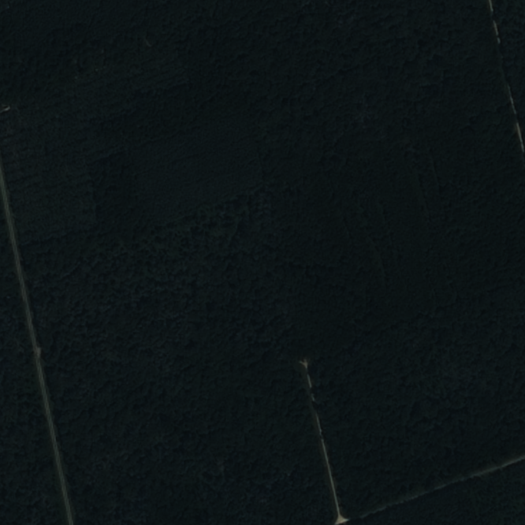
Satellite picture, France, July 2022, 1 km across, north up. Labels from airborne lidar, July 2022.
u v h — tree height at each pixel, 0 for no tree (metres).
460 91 26
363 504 27
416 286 15
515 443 27
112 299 12
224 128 16
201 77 21
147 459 28
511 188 23
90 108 16
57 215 15
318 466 26
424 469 29
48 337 25
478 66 27
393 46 23
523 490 10
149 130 22
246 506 21
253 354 27
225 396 24
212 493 27
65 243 19
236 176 15
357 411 24
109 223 21
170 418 26
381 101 30
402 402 14
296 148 23
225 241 20
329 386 22
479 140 20
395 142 18
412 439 26
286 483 30
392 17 30
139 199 18
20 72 19
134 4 18
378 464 20
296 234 25
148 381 25
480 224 22
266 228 20
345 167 17
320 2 24
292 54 26
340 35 25
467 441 29
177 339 13
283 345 26
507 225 24
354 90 25
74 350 14
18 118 16
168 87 14
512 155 21
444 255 14
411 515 17
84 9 13
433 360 15
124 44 26
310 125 23
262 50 25
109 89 17
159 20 25
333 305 30
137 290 21
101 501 29
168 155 16
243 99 18
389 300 16
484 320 20
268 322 29
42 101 16
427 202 11
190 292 8
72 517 0
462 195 22
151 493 32
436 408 24
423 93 24
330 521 19
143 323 22
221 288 25
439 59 25
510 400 22
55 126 17
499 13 19
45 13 14
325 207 18
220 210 19
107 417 29
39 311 27
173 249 21
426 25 24
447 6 30
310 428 25
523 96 29
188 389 26
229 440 26
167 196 12
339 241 19
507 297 22
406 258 18
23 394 18
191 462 23
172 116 24
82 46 23
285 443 23
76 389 22
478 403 27
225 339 21
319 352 23
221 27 22
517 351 25
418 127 22
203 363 17
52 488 30
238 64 27
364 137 27
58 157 17
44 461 12
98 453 25
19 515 24
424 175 11
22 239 16
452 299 16
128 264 20
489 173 20
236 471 21
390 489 24
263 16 27
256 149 12
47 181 17
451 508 14
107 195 21
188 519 28
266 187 16
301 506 30
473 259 20
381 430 22
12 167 16
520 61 22
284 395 29
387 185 18
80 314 16
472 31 29
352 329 22
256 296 21
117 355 25
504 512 10
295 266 24
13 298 29
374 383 20
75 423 25
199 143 17
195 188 13
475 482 15
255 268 27
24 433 26
